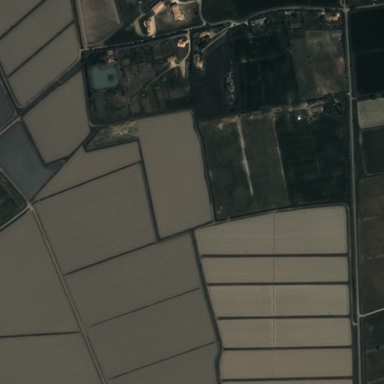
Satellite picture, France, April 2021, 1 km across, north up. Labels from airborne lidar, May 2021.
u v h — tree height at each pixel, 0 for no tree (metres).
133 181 0
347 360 0
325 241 0
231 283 0
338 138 0
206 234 0
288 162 0
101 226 0
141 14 0
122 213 0
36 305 0
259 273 0
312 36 0
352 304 0
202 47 10
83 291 0
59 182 0
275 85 0
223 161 0
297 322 0
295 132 0
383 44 0
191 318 0
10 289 0
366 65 0
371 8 0
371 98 9
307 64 0
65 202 0
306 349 0
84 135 0
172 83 0
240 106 8
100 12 0
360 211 0
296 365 0
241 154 0
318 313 0
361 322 0
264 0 0
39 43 0
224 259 0
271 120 0
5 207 0
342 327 0
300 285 0
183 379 0
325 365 0
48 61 0
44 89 0
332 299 0
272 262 0
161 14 0
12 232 0
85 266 0
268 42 0
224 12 0
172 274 0
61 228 0
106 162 0
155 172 0
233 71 8
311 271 0
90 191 0
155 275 0
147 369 0
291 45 6
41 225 0
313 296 0
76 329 0
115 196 0
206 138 0
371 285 0
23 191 0
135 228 0
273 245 0
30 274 0
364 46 0
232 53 7
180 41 0
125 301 0
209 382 0
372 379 0
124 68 6
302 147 0
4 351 0
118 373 0
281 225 0
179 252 0
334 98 6
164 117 0
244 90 0
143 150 0
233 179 0
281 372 0
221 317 0
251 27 7
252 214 0
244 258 0
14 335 0
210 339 0
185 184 0
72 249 0
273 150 0
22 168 0
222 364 0
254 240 0
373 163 0
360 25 0
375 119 0
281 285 0
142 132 0
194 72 8
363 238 0
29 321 0
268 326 0
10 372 0
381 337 0
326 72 0
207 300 0
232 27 6
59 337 0
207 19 0
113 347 0
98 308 0
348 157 10
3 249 0
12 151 0
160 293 0
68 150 0
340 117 0
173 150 0
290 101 0
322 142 0
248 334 0
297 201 0
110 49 9
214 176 0
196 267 0
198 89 0
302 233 0
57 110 0
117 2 0
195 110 0
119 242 0
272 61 0
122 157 0
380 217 0
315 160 0
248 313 0
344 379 0
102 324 0
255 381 0
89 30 0
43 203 0
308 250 0
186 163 0
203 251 0
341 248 0
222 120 0
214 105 0
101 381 0
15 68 0
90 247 0
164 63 0
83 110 0
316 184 0
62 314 0
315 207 0
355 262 0
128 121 0
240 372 0
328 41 0
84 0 0
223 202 0
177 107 0
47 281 0
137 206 0
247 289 0
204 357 0
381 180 0
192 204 0
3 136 0
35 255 0
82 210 0
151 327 0
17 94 0
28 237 0
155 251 0
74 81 0
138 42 8
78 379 0
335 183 0
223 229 0
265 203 0
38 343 0
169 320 0
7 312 0
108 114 0
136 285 0
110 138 0
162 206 0
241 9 0
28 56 0
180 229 0
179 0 0
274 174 0
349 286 0
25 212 0
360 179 0
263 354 0
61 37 0
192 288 0
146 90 0
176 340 0
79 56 0
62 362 0
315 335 0
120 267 0
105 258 0
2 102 0
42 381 0
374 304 0
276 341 0
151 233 0
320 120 0
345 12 6
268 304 0
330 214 0
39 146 0
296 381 0
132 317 0
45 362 0
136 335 0
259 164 0
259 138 0
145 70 0
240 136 0
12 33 0
